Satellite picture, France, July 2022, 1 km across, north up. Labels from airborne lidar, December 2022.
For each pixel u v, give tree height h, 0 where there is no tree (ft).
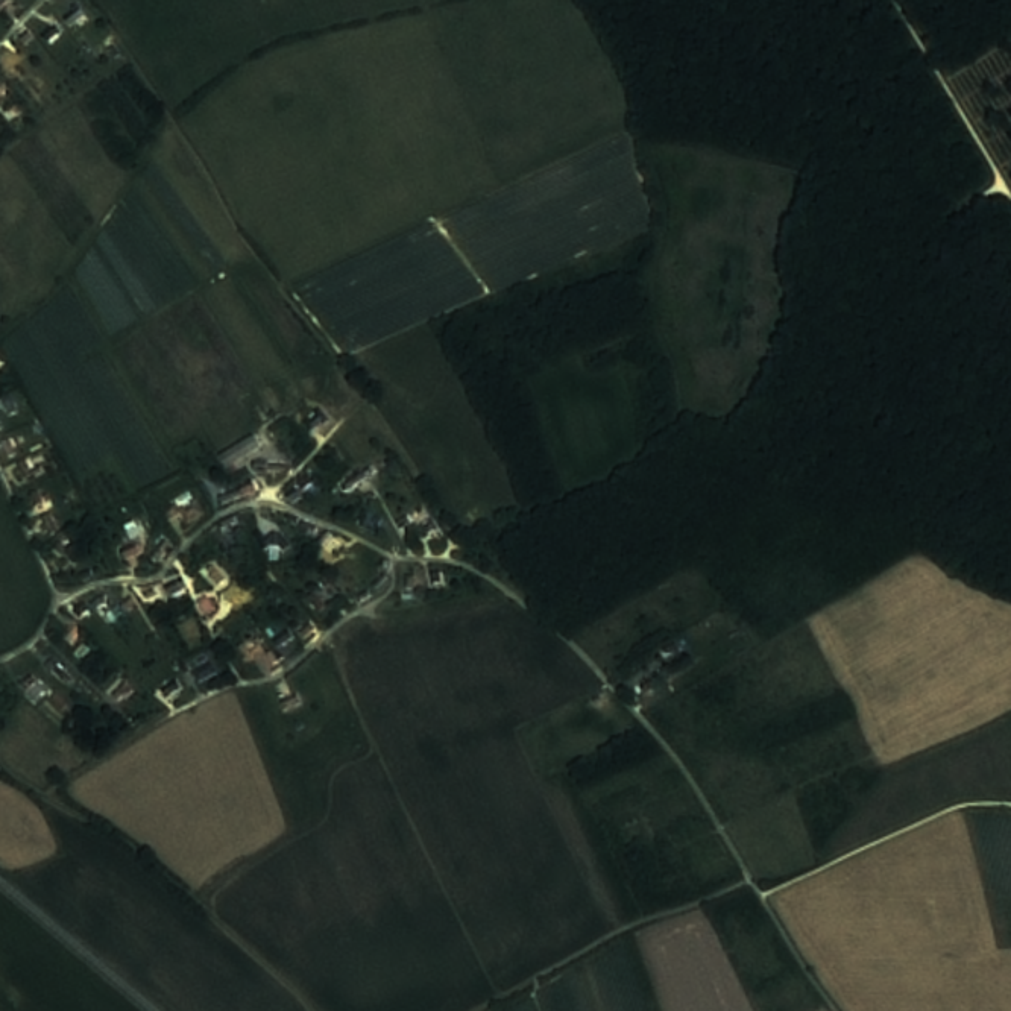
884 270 97
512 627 0
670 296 0
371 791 0
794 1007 0
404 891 0
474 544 49
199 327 0
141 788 0
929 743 0
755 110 85
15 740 0
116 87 24
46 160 0
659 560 37
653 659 25
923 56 58
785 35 79
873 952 0
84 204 0
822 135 81
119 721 54
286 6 0
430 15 0
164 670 0
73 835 0
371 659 0
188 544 0
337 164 0
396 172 0
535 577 60
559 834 0
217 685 44
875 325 78
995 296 99
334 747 0
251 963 0
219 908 0
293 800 0
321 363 0
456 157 0
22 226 0
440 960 0
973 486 80
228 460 0
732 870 0
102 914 0
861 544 44
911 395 92
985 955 0
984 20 81
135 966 0
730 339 0
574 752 0
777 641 0
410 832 0
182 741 0
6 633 0
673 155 0
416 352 0
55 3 0
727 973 0
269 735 0
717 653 0
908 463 76
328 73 0
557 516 69
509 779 0
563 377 0
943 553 52
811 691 0
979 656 0
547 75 0
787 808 0
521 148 0
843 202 84
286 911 0
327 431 0
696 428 50
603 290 63
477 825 0
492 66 0
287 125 0
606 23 58
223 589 0
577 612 45
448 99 0
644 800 0
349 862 0
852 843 0
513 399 46
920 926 0
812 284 77
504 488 0
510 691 0
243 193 0
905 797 0
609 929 0
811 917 0
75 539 48
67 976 0
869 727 0
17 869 0
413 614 0
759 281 0
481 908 0
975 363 97
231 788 0
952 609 0
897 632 0
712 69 68
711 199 0
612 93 0
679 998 0
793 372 86
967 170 92
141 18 0
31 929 0
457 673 0
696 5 69
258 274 0
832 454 73
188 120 0
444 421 0
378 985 0
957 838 0
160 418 0
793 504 48
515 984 0
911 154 86
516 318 20
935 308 83
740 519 37
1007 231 85
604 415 0
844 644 0
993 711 0
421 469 0
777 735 29
